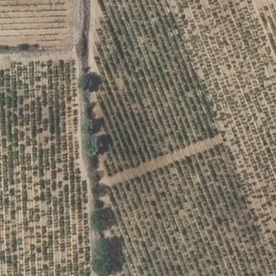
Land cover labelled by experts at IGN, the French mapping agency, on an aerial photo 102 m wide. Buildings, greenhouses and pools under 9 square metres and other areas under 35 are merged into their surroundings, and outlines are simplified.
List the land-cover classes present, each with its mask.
<instances>
[{"label":"vineyard","instance_id":"1","mask_svg":"<svg viewBox=\"0 0 276 276\"><path fill-rule=\"evenodd\" d=\"M39 44L36 52L0 54V276H98L94 271L93 261L96 240L99 238L106 241L109 247L108 273L103 276H276V0H0V45ZM91 72L96 73L101 79L98 91H82L79 87L80 77L83 75L85 78ZM85 115L92 122L87 133L97 138L98 148L89 163L83 155L82 124Z\"/></svg>","mask_w":276,"mask_h":276},{"label":"deciduous trees","instance_id":"2","mask_svg":"<svg viewBox=\"0 0 276 276\"><path fill-rule=\"evenodd\" d=\"M101 79L96 73L91 72L85 78L83 75L80 77L79 87L82 91H98ZM92 122L85 115L82 124L83 155L89 163L98 148L97 138L87 133ZM109 247L106 241L99 238L96 240L93 261L94 271L98 276H103L108 273Z\"/></svg>","mask_w":276,"mask_h":276},{"label":"brushwood","instance_id":"3","mask_svg":"<svg viewBox=\"0 0 276 276\"><path fill-rule=\"evenodd\" d=\"M39 44L0 45V54L36 52Z\"/></svg>","mask_w":276,"mask_h":276}]
</instances>
